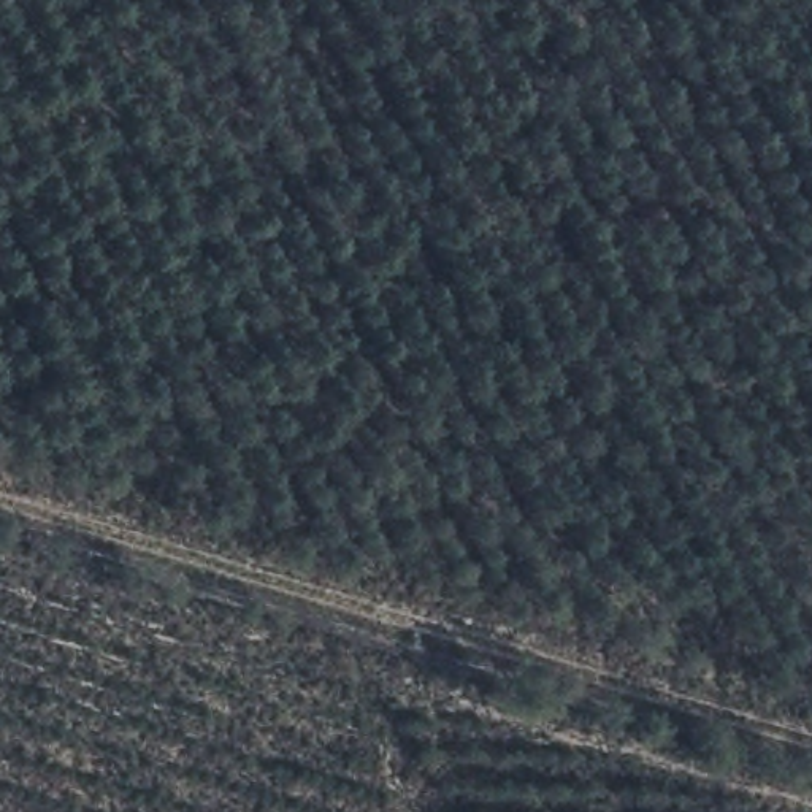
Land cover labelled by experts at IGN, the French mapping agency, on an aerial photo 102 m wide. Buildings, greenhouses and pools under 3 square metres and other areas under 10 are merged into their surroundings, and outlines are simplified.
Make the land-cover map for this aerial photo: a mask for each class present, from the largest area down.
<instances>
[{"label":"brushwood","instance_id":"1","mask_svg":"<svg viewBox=\"0 0 812 812\"><path fill-rule=\"evenodd\" d=\"M41 51H51L57 44L44 19L48 0H16ZM174 6L181 38L197 54H216L219 48H225L232 57V70L206 82V92L216 111L228 121L235 140L254 133L266 117L263 92L254 73L247 70L251 51L241 44L232 25L235 6L241 0H168ZM305 13L289 22V51L305 63V70L317 82V102L330 117L333 143L343 149L349 174L365 190L362 206L346 219L355 254L339 263L333 232L327 225L324 209L317 206V193L333 181V168L327 165V155L317 146L311 121L301 117V82L282 92V102L285 124L301 140L308 162L301 171H295L285 162V143L279 136H270L266 146L247 165L260 187V206L270 219H279V235L260 238L251 254L257 260L260 282L276 308L289 301L282 285L276 282L270 257L282 247L317 324L349 311L358 349L377 371L384 400L352 431V438L343 447H330L327 441L330 428L339 422L346 409V400L339 396L330 377L317 381L314 403L279 400L257 409V422L263 425V435L273 444L279 466L285 469L292 485V523H279L276 492L266 479L263 457L257 450H247L241 457V469L254 488V517L244 530H232L228 536L216 533V514L228 501V479L222 473V460L197 435V422L187 412V387L181 374L187 355L197 346L187 333L178 339L174 349L165 352L162 336L155 333V314H143L136 320L149 352V358L136 371V390L152 393L155 381L162 377L171 393V416L178 428L174 447H168L152 431L146 435V444L155 454V473L140 476L127 495H108L102 485H73L60 473L25 469V422H35L44 435L67 428L73 419L63 412H48L44 400L51 393L76 387L54 358V336L48 333L44 320L32 311V305L19 295L16 282L22 276H35L38 295L48 305H57L63 320H70L82 301L89 305L92 317L98 320V336L79 339L76 349L92 365V377L102 390V409L114 431L130 425L127 403L108 352L114 346L130 349V339L117 327L114 314L105 308L98 276L92 273L82 244L67 251L73 285H51L54 260L38 244L35 225L48 219L57 232L70 228L67 213L57 203L54 178L38 184L29 209L22 206V200L6 203L13 244L0 251V488L51 501H70L76 511L89 514H127L140 520V530L146 533L174 536L187 546L209 542L232 558L270 555L282 565L292 555H298L320 527L308 476L324 469L330 488L336 492V514L352 546H358V552L365 555V571L355 584L346 577V568H327L314 561L311 577L314 584L333 580L343 590L374 596L377 603H403L412 609L441 612L444 619L457 615L469 625L485 631L511 625L514 612H492V606L479 593V584L460 590L457 584H441V574H425L419 558L412 555L371 552L368 533L362 527V517L355 514V498L346 479L358 469L362 485L368 488L374 479V466L381 463L371 454V444L377 438H390L400 425H406V447L412 454H422L425 466L435 469L441 498L438 508H425L419 514L422 527L428 530L454 523L469 561L476 565L488 552L482 549L473 530L469 511L454 498V457H466L469 495L479 501L488 495L482 463L495 460L520 511V520L511 523L501 536L508 574L523 590L536 587L539 574L533 571L520 546V536L533 530L546 542L552 558H558L561 552L577 555L590 542V530L587 523H568L558 530L546 527L533 488L523 476V466L514 460L508 444L498 441V422L485 409V403L476 400V387L482 365H488L495 371L501 400L517 419L527 406L520 387L511 377L504 349L514 346L530 371H542L558 362L568 390L546 400L552 431L568 447L587 444L590 435H603L606 450L580 473L590 488V501L596 504L615 488H628L631 501V523L612 536L606 555L593 558L590 574L612 571V565L622 561L628 568V577L644 587L638 599L622 609L612 631L599 619L603 609L577 584L568 593L574 609L571 622L549 625L536 612L527 628L530 634L546 638L549 647H577V653H603L606 679L631 676L644 685L657 688L660 701L666 704L736 714L739 707L758 711L761 717L790 720H806L812 714V663L799 672V695L793 701H777V691L771 688L774 672L758 657L761 650L745 612L726 599L723 587L730 584V577L717 571L711 580L717 615H704V609H688L685 619L657 615L663 606L657 590H650L647 584H653L657 577L638 555V549L653 546L669 568L711 552L704 523L698 511L688 508V495L676 479L682 469L707 476L711 469L723 466L739 492L755 488V482L739 466V457L730 450L726 435L720 428V416L726 409L736 412L739 425L749 431L758 466L777 460V454L793 457L812 447V387L806 371H796V390L787 403H780L774 381L755 384L749 393H736V381L749 374L758 362V343L752 339L749 324L742 317L733 320V358L717 365L714 374L704 381H685V393L695 406V422H682L672 428L676 460L663 463L660 441L638 409V396L622 365L609 368L615 393L612 409H596L593 381L574 355V343L565 333V324L549 292L536 298V305L555 352L539 358L533 336L523 324V314L517 308V289L527 282L530 257L520 251L514 235L501 238L498 244L511 270L498 282H492L498 324L482 330L469 279L463 276L454 254L441 251L444 213L457 216V222L466 228L476 222L473 209L460 200L457 187L450 184L438 149L422 140V130L409 114L396 76L409 63L416 67L435 130L454 149L463 140L450 102L454 82H463L479 127L488 133L501 124L495 105L501 98L517 102V86L527 76L536 82L539 76H546L549 63H558V70H565L574 79L577 111L590 127V149L580 152L571 124L558 130V140L565 159L574 168L584 200L596 213L584 228L571 209L561 213L555 225L546 222L542 209L555 200V193H561L558 174L552 171L542 178L539 187H530L504 140L473 155L466 174L476 197L492 203L495 190L485 178V168L495 162L501 165L504 184L514 200L527 206L530 228L539 238V244L558 251L561 289L577 311V324L587 330L596 308H606L609 327L622 343L638 336V330L625 317L619 298L612 295L606 266L599 260L593 235L603 225H609L615 235L628 289L647 308L660 301V292L650 279L647 254L638 247V232L647 228L653 235L669 228L672 222L679 225L688 257L672 273L679 282L691 279L711 257V251L701 241L704 222L723 232L726 247L733 254L730 273L679 298L685 324L698 327L711 308L733 301L739 292L755 295L764 289L749 266L752 251H764L771 270H796L783 257V241L799 232L790 206L806 197L812 206V146L799 143L787 117V98L793 89H799L809 102L812 121V16H806V22L799 25V38L790 41L787 32L777 38V51L787 63L783 76L771 79L764 73V63L742 67L758 114H764L774 124L777 136L790 152L787 165H774L764 155L758 130L752 124L742 127L739 136L745 143L752 171L764 190L761 203H752L739 178V168L730 155V140L711 121L707 111V92L720 95L723 108H739V98L730 79L717 70L714 54H720L726 44H761L777 19L774 13H758L749 22H739L736 6L742 0H634L641 16L647 19L650 44H641L634 38V29L622 13L612 19V25L647 82L653 111L669 102L676 86L688 92L695 130L714 149V162L752 228L749 238H739L733 219L717 203H704L701 197H682L672 165L657 149V140L650 136L641 117V108L628 98V86L612 48L606 41H590V48L574 54L565 44V25L546 32L539 44H530L523 22L527 0H495L498 19L476 22L479 48L488 63L473 70L463 48L457 44L454 29V6L460 0H422L431 10L435 35L419 41L416 35L403 44L400 57L374 67V89L381 95V108H368L362 105L355 63L343 54L339 38L333 35L324 16L327 0H301ZM669 3H676L685 22L691 25L695 51L701 60L698 79L688 76L679 54L672 51L676 32L666 19ZM596 60L606 70L612 108L628 121L634 133L631 146H622L599 114L587 73ZM390 121L403 130L406 143L419 155V171H409V165L393 152L387 136ZM358 130H371L374 149L384 168L400 181L406 209L422 235L419 257H412L403 266V273L381 289V301L387 305L390 327L400 336L412 327L403 308V292L416 289L419 305L425 311V324L438 336L454 368L460 409L444 419V435L438 441L425 438L419 403L412 396V384L425 374H435L431 358L422 352L409 355L403 365H390V352L384 349L368 317V308L362 305L358 282L371 266H377L400 247L403 232L396 222H390L381 238L368 241V222L390 200L384 184L358 152ZM606 155L619 162V181L628 203L625 213L612 209L606 197ZM298 216L308 219L314 241L324 254L320 273L308 270L305 247L295 238ZM444 285L450 289L457 305V333L444 327L438 311V295ZM193 466H203L209 476L206 488L197 492L200 508L190 504L187 511H168L171 498L178 495L181 476ZM653 479H660L663 495L669 498V517H657L647 504V482ZM346 13L349 29L362 35L368 48L381 41V25L371 19L374 0H336ZM3 48L16 86L25 92V98H48L51 86L32 70L22 44L13 35L10 41H3ZM102 63L95 44L82 41L76 48V60H70L63 70L67 86L86 82V76ZM121 57L130 86L143 105L155 102L162 92L149 79L140 48L130 44L121 51ZM102 127V117L92 105L70 108L67 117H48L32 133H16V162L0 159V190L6 184H19L38 165L35 140L51 136L70 193L82 206V213L98 209L105 203V193L86 184L82 159L73 155L70 143L76 133L86 136ZM555 114L536 111L517 127L523 140H536L552 127ZM200 162L209 165L213 184L200 187L190 197L200 222V244L197 254L187 260V270L197 285L209 276V263H219V270L225 273H232L235 266V257L219 232L216 203L222 197L238 193V184L225 159L213 146L200 143ZM181 165V149L168 152L162 165H152L146 149H117L108 155V168L121 187V203L127 209H136L149 200H159L162 232L174 235L181 222L171 193V174ZM92 235L98 238V247L108 257V266L117 279V295L124 301L133 298L136 282L146 276L159 295L171 289L162 251L149 238L146 222L117 235L111 222H102L92 228ZM235 301L244 311L247 336L235 343L219 317V308L206 311L203 327L209 333L216 355L197 371L209 396L216 425L228 441H235L244 428L238 422L235 406L225 396V387L251 368H257L273 352V336L260 317L254 295L241 289ZM374 508L384 539L390 546L403 539L406 527L396 514L393 495H387L374 501ZM749 517L758 536L764 539L771 568L787 584V593L796 596L802 580L799 565L806 555H799L793 546L780 549V530L761 508H755ZM730 555L742 571L745 590L755 596L761 615L768 619L777 647L790 657L793 638L787 631L783 609L761 587L752 552L742 542L739 523H733L726 530ZM469 714L457 711H438L441 733L416 739L425 752H444V768L454 771L457 783L485 787L517 783L574 790L606 787L609 793H691L698 780L647 764L641 774L580 768H485L469 761V749L561 755L565 745H539L517 733L511 739L488 733L460 736V720H466ZM730 790H723V783H717L711 790L707 809L631 806L619 812H723V799ZM422 812H596L593 806H527L485 799H435Z\"/></svg>","mask_w":812,"mask_h":812},{"label":"coniferous trees","instance_id":"2","mask_svg":"<svg viewBox=\"0 0 812 812\"><path fill-rule=\"evenodd\" d=\"M305 13L301 0H241L235 6L232 25L241 44L251 51L247 70L254 73L263 92L266 117L254 133L235 140L228 121L216 111L206 92V82L232 70V57L225 48H219L216 54H197L181 38L174 6L168 0H48L44 19L57 44L51 51H41L16 0H0V159L16 162V133H32L48 117H67L70 108L92 105L102 117V127L86 136L76 133L70 143L73 155L82 159L86 184L105 193V203L98 209L82 213V206L70 193L51 136L35 140L38 165L19 184H6L0 190V251L13 244L6 203L22 200V206L29 209L38 184L54 178L57 203L67 213L70 228L57 232L48 219L35 225L38 244L54 260L51 285H73L67 251L82 244L92 273L98 276L105 308L114 314L117 327L130 339V349L114 346L108 352L127 403L130 425L114 431L102 409V390L92 377V365L76 349L79 339L98 336V320L92 317L89 305L82 301L70 320H63L57 305H48L38 295L35 276H22L16 282L19 295L32 305V311L44 320L48 333L54 336V358L76 387L51 393L44 400L48 412H63L73 419L67 428L44 435L35 422H25V469L60 473L73 485H102L108 495H127L140 476L155 473V454L146 444V435L152 431L168 447H174L178 428L171 416V393L162 377L155 381L152 393L136 390V371L149 358V352L136 320L143 314H155V333L162 336L165 352L174 349L178 339L187 333L197 346L187 355L181 374L187 387V412L197 422V435L222 460V473L228 479V501L216 514V533L228 536L232 530H244L254 517V488L241 469V457L247 450H257L263 457L266 479L276 492L279 523H292V485L285 469L279 466L273 444L263 435V425L257 422V409L279 400L314 403L317 381L330 377L339 396L346 400V409L339 422L330 428L327 441L330 447H343L352 438V431L384 400L377 371L358 349L349 311L317 324L282 247L270 257L276 282L282 285L289 301L276 308L260 282L257 260L251 254L260 238L279 235V219H270L260 206V187L247 165L266 146L270 136H279L285 143V162L295 171H301L308 162L301 140L285 124L282 102V92L301 82V117L311 121L317 146L327 155V165L333 168V181L317 193V206L324 209L327 225L333 232L339 263L355 254L346 219L362 206L365 190L349 174L343 149L333 143L330 117L317 102V82L305 70V63L289 51V22ZM13 35L22 44L32 70L51 86L48 98H25V92L16 86L3 48V41H10ZM82 41L95 44L102 63L86 76V82L67 86L63 70L70 60H76V48ZM130 44L140 48L149 79L162 92L155 102L143 105L130 86L121 57V51ZM200 143L213 146L225 159L238 184V193L222 197L216 203L219 232L235 257V266L232 273H225L219 270V263H209V276L197 285L187 270V260L197 254L200 244V222L190 197L200 187L213 184L209 165L200 162ZM117 149H146L152 165H162L168 152L181 149V165L171 174V193L181 222L174 235L162 232L159 200H149L136 209H127L121 203V187L108 168V155ZM102 222H111L117 235L146 222L149 238L162 251L171 289L159 295L146 276L136 282L133 298L124 301L117 295V279L108 266V257L98 247V238L92 235V228ZM241 289L254 295L260 317L273 336V352L257 368H251L225 387V396L235 406L238 422L244 428L235 441H228L216 425L209 396L197 371L216 355L209 333L203 327L206 311L219 308V317L235 343L247 336L244 311L235 301ZM324 16L333 35L339 38L343 54L355 63L362 105L368 108H381V95L374 89V67L400 57L403 44L416 35L419 41L435 35L431 10L422 0H374L371 19L381 25V41L368 48L362 35L349 29L346 13L336 0H327ZM498 19L495 0H460L454 6V29L457 44L463 48L473 70L488 63L479 48L476 22ZM622 13L634 29V38L641 44H650L647 19L641 16L634 0H527L523 22L530 44H539L546 32L565 25V44L574 54L590 48V41H606L612 48L628 86V98L641 108V117L650 136L657 140V149L672 165L682 197H701L704 203H717L733 219L739 238H749L752 228L714 162V149L695 130L688 92L676 86L669 102L653 111L647 82L612 25V19ZM758 13H774L777 19L761 44H726L720 54H714L717 70L730 79L739 98V108H723L720 95L707 92V111L711 121L730 140V155L739 168V178L752 203H761L764 190L752 171L745 143L739 136L742 127L752 124L758 130L764 155L774 165H787L790 152L777 136L774 124L764 114H758L742 67L764 63V73L771 79L783 76L787 63L777 51V38L787 32L790 41L799 38V25L806 22V16H812V0H742L736 6L739 22H749ZM666 19L676 32L672 51L679 54L688 76L698 79L701 60L695 51L691 25L685 22L676 3H669ZM587 73L599 114L622 146H631L634 133L628 121L612 108L606 70L596 60ZM409 114L422 130V140L438 149L450 184L457 187L460 200L473 209L476 222L466 228L457 222V216L444 213L441 251L454 254L463 276L469 279L482 330L498 324L492 282H498L511 270L498 244L501 238L514 235L520 251L530 257L527 282L517 289V308L523 314V324L533 336L539 358L555 352L536 305V298L549 292L565 324V333L574 343V355L593 381L596 409H612L615 393L609 368L622 365L638 396V409L660 441L663 463L676 460L672 428L682 422H695V406L685 393V381H704L714 374L717 365L733 358V320L742 317L749 324L752 339L758 343V362L749 374L736 381V393H749L755 384L774 381L780 403H787L796 390V371H806L812 387V206L806 197L790 206L799 232L783 241V257L796 270H771L764 251H752L749 266L764 289L755 295L739 292L733 301L711 308L698 327L685 324L679 298L730 273L733 254L726 247L723 232L704 222L701 241L711 251V257L691 279L679 282L672 273L688 257L679 225L672 222L669 228L653 235L647 228L638 232V247L647 254L650 279L660 292V301L647 308L628 289L615 235L609 225H603L593 235L599 260L606 266L612 295L619 298L625 317L638 330V336L622 343L609 327L606 308H596L587 330L577 324V311L561 289L558 251L539 244V238L530 228L527 206L514 200L504 184L501 165L495 162L485 168V178L495 190L492 203L476 197L466 174L473 155L504 140L530 187H539L542 178L552 171L558 174L561 193H555V200L542 209L546 222L555 225L561 213L571 209L584 228L596 213L584 200L574 168L565 159L558 140V130L571 124L580 152L590 149V127L577 111L574 79L565 70H558V63H549L546 76H539L536 82L527 76L517 86V102L501 98L495 105L501 124L488 133L479 127L463 82H454L450 102L463 140L454 149L435 130L416 67L409 63L396 76ZM536 111L555 114L552 127L536 140H523L517 127ZM787 117L799 143L812 146V121L809 102L799 89H793L787 98ZM387 136L393 152L409 165V171H419V155L406 143L403 130L390 121ZM358 152L384 184L390 200L368 222V241L381 238L390 222H396L403 232L400 247L377 266H371L358 282L362 305L368 308V317L384 349L390 352V365H403L409 355L422 352L431 358L435 374H425L412 384V396L419 403L425 438L438 441L444 435V419L460 409L454 368L438 336L425 324V311L419 305L416 289L403 292V308L412 327L400 336L390 327L387 305L381 301V289L403 273V266L412 257H419L422 235L406 209L400 181L384 168L374 149L371 130H358ZM606 197L612 209L625 213L628 203L619 181V162L606 155ZM295 238L305 247L308 270L320 273L324 254L314 241L308 219L298 216ZM438 311L444 327L457 333V305L450 289L444 285L438 295ZM511 377L520 387L527 406L517 419L501 400L495 371L488 365H482L476 387V400L485 403V409L498 422V441L508 444L514 460L523 466V476L533 488L546 527L558 530L568 523H587L590 530V542L577 555L561 552L558 558H552L546 542L533 530L520 536V546L533 571L539 574L536 587L523 590L508 574L501 536L511 523L520 520V511L495 460L482 463L488 495L479 501L469 495L466 457H454V498L469 511L473 530L482 549L488 552L476 565L469 561L454 523L428 530L422 527L419 514L425 508H438L441 498L435 469L425 466L422 454H412L406 447V425H400L390 438H377L371 444V454L381 463L374 466V479L368 488L362 485L358 469L346 479L355 498V514L362 517V527L368 533L371 552L412 555L419 558L425 574H441V584H457L460 590L479 584V593L492 606V612H514L511 625L514 638L530 634L527 628L536 612L549 625L571 622L574 609L568 593L577 584L603 609L599 619L612 631L622 609L638 599L644 587L628 577V568L622 561L612 565V571L590 574L593 558L606 555L612 536L631 523V501L628 488H615L596 504L590 501V488L580 473L606 450L603 435H590L587 444L568 447L552 431L546 400L568 390L558 362L542 371H530L514 346L504 349ZM387 495H393L396 514L406 527L403 539L390 546L384 539L374 508V501ZM720 428L726 435L730 450L739 457V466L755 482V488L739 492L723 466L711 469L707 476L682 469L676 479L688 495V508L698 511L704 523L711 552L669 568L653 546L638 549V555L657 577L653 584H647L650 590H657L663 606L657 615L685 619L688 609H704V615H717L711 580L717 571L730 577V584L723 587L726 599L745 612L761 650L758 657L774 672L771 688L777 691V701H793L799 695V672L812 663V447L793 457L777 454V460L758 466L749 431L739 425L736 412L726 409L720 416ZM755 508H761L780 530V549L793 546L799 555H806L799 565L802 580L796 596L787 593V584L771 568L764 539L758 536L749 517ZM733 523H739L742 542L752 552L761 587L783 609L787 631L793 638L790 657L777 647L768 619L761 615L755 596L745 590L742 571L730 555L726 530ZM209 476L203 466H193L181 476L178 495L171 498L168 511H187L190 504L200 508L197 492L206 488ZM320 527L298 555H292L282 565L285 574L301 571L311 577L314 561L327 568H346V577L355 584L365 571V555L358 552V546H352L336 514V492L330 488L324 469L308 476ZM647 504L657 517H669V498L663 495L660 479H653L647 482ZM488 733L511 739L517 733L511 723L482 720L469 714L466 720H460V736ZM469 761L485 768H580L641 774L647 764L631 755L565 745L561 755L469 749ZM717 783H714L698 780L691 793H609L606 787L574 790L517 783L485 787V799L527 806H593L596 812H619L631 806L707 809L711 790ZM723 812H771L764 796L730 790L723 799Z\"/></svg>","mask_w":812,"mask_h":812},{"label":"clear cut","instance_id":"3","mask_svg":"<svg viewBox=\"0 0 812 812\"><path fill-rule=\"evenodd\" d=\"M416 660V650L409 628L368 622L273 590L244 587L238 580L197 571L190 565H178L159 555L124 552L121 546L92 536L86 527H76L70 520L32 523L22 514L0 511V812H422L435 799H485V787L457 783L454 771L444 768V752H425L416 739L441 733L438 711H457V688L444 676L409 666Z\"/></svg>","mask_w":812,"mask_h":812},{"label":"pervious surface","instance_id":"4","mask_svg":"<svg viewBox=\"0 0 812 812\"><path fill-rule=\"evenodd\" d=\"M0 511L22 514L32 523L70 520L76 527H86L92 536L121 546L124 552L159 555L178 565H190L197 571L238 580L244 587L273 590L368 622L409 628H447V638L457 647L469 650L473 638H466L463 631L469 625L457 615L444 619L441 612L412 609L403 603H377L374 596L343 590L333 580L314 584L311 577L301 571L285 574L282 565L270 555L232 558L209 542L187 546L174 536L146 533L140 530V520L127 514H89L76 511L70 501H51L0 488ZM749 720V726L761 739H768L812 749V714L806 720H790L761 717L758 711L739 707L736 714Z\"/></svg>","mask_w":812,"mask_h":812},{"label":"deciduous trees","instance_id":"5","mask_svg":"<svg viewBox=\"0 0 812 812\"><path fill-rule=\"evenodd\" d=\"M593 682L590 672H571L558 663H546L520 650L517 669L504 676L492 695H479L482 704H495L498 711L539 714L542 723L552 720L558 730L603 733L606 739L622 745L634 742L628 736V723L634 711L625 701L612 717H599L596 704L584 698V691ZM653 730L644 742L653 752L666 755L676 733L666 717L650 720ZM723 755L701 764L707 768V777L714 783H723L733 780L739 771V764L745 761V749L736 742L726 723L711 736ZM761 783L787 787L793 793H812V749L768 739Z\"/></svg>","mask_w":812,"mask_h":812},{"label":"herbaceous vegetation","instance_id":"6","mask_svg":"<svg viewBox=\"0 0 812 812\"><path fill-rule=\"evenodd\" d=\"M416 650V660L409 666L444 676L457 688L473 685L479 695H492L504 676L517 669L520 650L514 647V638L511 625L485 631L469 625L463 631L466 638H473L469 650L457 647L447 638V628H409ZM625 701L634 711L628 723V736L634 742H644L653 730L650 720L666 717L676 733L666 755L701 764L723 755L711 736L726 723L736 742L745 749V761L739 764V771L761 783L768 739H761L749 726V720L736 714L666 704L660 701L657 688L644 685Z\"/></svg>","mask_w":812,"mask_h":812},{"label":"bare soil","instance_id":"7","mask_svg":"<svg viewBox=\"0 0 812 812\"><path fill-rule=\"evenodd\" d=\"M514 647L546 663H558L571 672H590L593 682L584 691V698L596 704L599 717H612L625 701L644 685L631 676L606 679L603 653H577V647H549L546 638L530 634L514 638ZM457 711L469 714L482 720L511 723L517 733L539 745H565L631 755L647 764L698 780L714 783L707 777V768L701 764L666 755L653 752L644 742H634L622 745L606 739L603 733L558 730L552 720L542 723L539 714L498 711L495 704H482L479 695L473 685L457 688ZM723 790H730L764 796L771 812H812V793H793L787 787L761 783L739 771L733 780L723 783Z\"/></svg>","mask_w":812,"mask_h":812}]
</instances>
